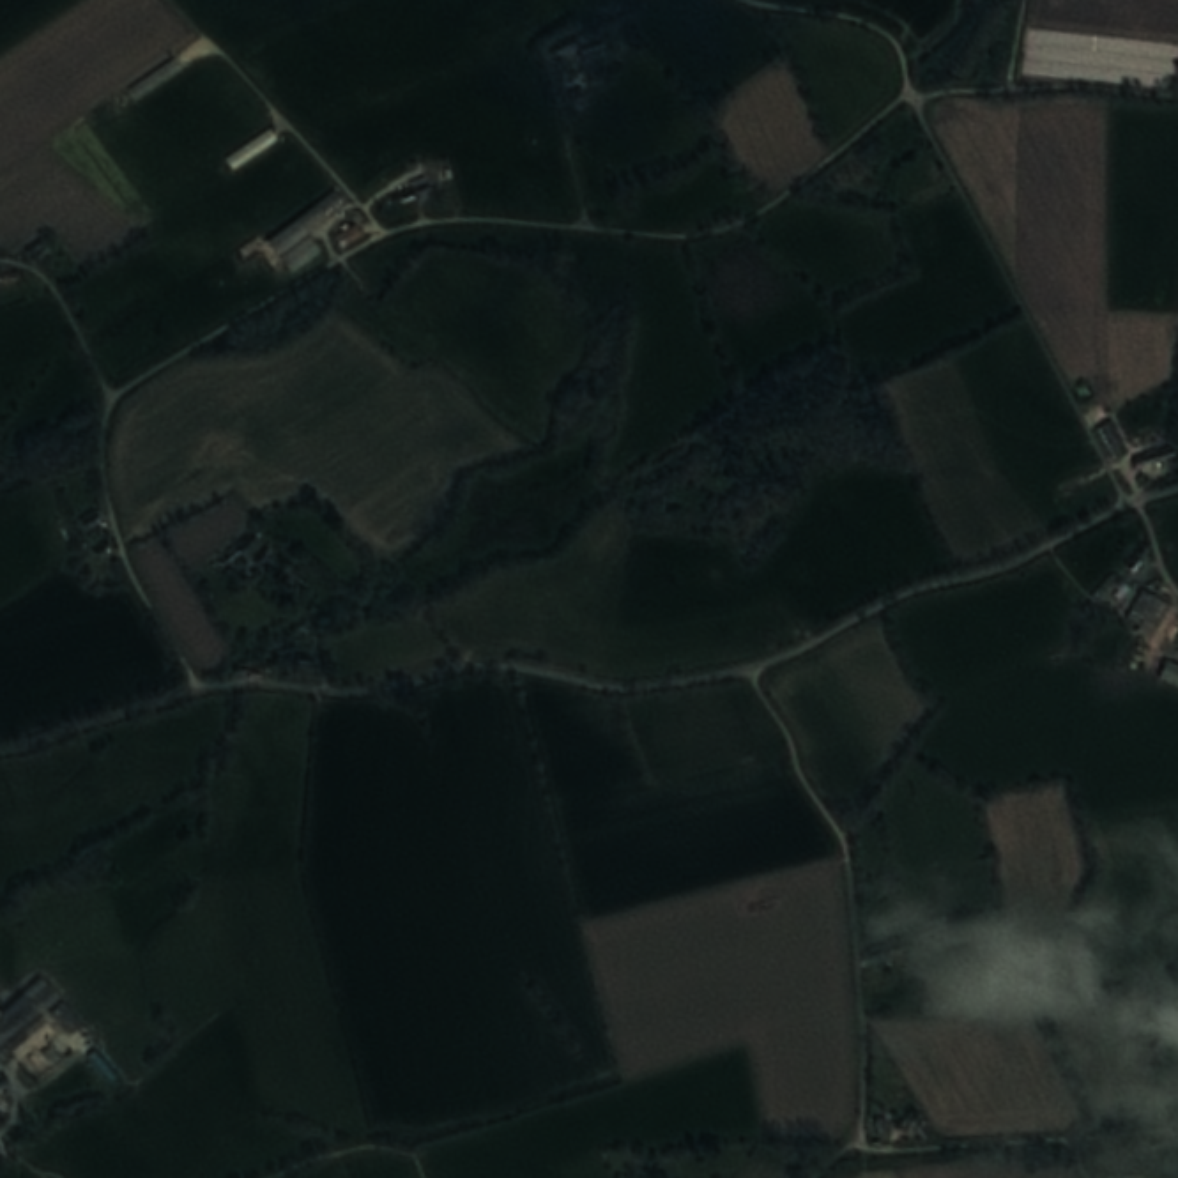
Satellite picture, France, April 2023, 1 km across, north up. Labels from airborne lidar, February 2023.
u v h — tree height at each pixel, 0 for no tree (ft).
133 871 0
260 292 0
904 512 0
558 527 0
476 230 0
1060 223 0
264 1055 0
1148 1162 38
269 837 0
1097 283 0
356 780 0
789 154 0
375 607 25
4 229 0
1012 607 0
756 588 0
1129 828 0
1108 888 0
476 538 0
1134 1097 0
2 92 0
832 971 0
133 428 0
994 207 0
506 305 0
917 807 0
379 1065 0
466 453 0
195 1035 0
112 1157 0
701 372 0
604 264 0
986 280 0
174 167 0
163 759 0
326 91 0
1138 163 0
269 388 0
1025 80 0
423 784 0
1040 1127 0
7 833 0
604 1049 0
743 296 0
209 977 0
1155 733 0
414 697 57
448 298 0
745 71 0
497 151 0
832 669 0
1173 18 0
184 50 0
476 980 0
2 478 47
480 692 0
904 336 0
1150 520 34
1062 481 0
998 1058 0
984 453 0
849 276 0
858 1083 0
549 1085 0
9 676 0
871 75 0
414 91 0
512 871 0
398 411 0
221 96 0
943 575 21
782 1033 0
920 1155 0
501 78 0
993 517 0
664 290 0
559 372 0
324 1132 34
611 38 20
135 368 0
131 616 0
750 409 67
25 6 0
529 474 0
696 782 0
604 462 32
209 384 0
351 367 0
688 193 0
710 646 0
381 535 0
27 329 0
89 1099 21
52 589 0
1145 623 0
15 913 53
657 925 0
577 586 0
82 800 0
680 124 0
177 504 0
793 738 0
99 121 0
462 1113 0
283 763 0
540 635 0
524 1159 0
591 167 0
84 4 0
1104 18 0
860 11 0
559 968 0
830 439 72
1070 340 0
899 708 0
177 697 28
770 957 0
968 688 0
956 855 0
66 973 0
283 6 0
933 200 0
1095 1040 0
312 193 0
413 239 0
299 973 0
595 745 0
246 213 0
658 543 0
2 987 0
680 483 20
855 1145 0
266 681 0
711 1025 0
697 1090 0
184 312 0
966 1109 0
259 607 0
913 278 31
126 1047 0
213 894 0
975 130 0
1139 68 0
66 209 0
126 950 0
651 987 0
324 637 49
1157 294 0
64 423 29
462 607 0
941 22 0
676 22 0
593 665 0
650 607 0
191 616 0
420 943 0
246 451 0
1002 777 0
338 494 0
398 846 0
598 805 0
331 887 0
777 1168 0
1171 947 0
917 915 0
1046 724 0
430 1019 0
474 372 0
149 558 0
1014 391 0
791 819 0
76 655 0
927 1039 0
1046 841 0
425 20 0
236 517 0
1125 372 0
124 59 0
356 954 0
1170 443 28
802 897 0
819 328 0
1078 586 0
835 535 0
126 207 0
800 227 0
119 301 0
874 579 0
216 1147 0
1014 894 0
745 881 0
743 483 33
